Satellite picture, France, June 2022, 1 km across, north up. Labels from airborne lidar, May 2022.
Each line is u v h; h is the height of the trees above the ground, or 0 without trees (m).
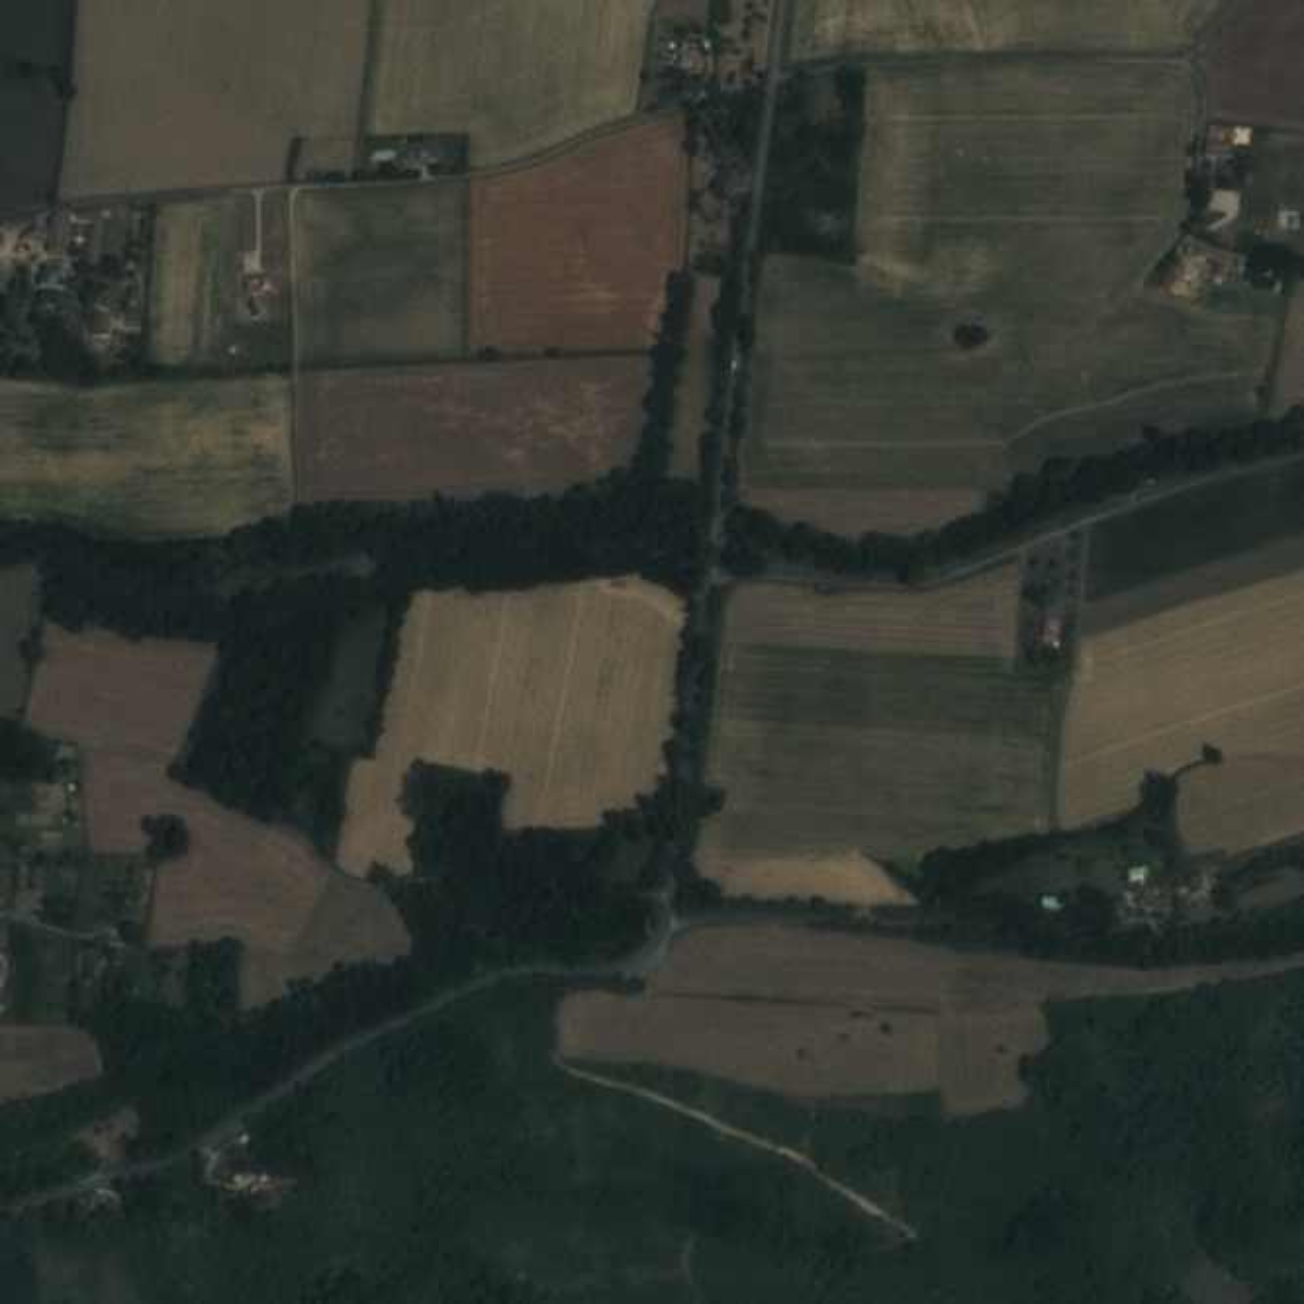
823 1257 7
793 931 0
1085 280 0
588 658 0
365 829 0
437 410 0
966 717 0
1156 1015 12
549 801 0
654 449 21
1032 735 0
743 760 0
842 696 0
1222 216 0
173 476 0
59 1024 0
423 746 0
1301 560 0
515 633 0
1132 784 0
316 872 0
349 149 0
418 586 22
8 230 0
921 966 0
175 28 0
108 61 0
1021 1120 6
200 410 0
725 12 5
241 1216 14
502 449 0
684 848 20
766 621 0
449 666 0
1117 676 0
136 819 0
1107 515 0
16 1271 16
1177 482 0
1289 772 0
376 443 0
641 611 0
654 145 0
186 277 0
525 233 0
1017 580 0
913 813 0
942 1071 0
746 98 10
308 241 0
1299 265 15
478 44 0
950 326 0
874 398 0
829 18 0
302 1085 9
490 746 0
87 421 0
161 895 0
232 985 7
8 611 0
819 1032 0
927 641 0
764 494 0
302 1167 7
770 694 0
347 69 0
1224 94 0
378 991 17
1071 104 0
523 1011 6
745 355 12
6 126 0
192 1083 12
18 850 7
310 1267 7
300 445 0
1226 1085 6
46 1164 7
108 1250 0
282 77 0
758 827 0
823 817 0
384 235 0
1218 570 0
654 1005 0
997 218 0
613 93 0
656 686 0
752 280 11
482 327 0
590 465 0
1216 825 0
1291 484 0
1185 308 0
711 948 0
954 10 0
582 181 0
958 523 10
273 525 19
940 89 0
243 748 16
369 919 0
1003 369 0
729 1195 12
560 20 0
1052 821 0
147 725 0
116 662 0
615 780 0
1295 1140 11
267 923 0
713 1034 0
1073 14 0
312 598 29
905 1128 12
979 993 0
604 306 0
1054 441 0
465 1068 9
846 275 0
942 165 0
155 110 0
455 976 15
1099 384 0
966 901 18
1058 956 9
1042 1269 6
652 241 0
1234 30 0
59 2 0
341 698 0
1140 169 0
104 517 0
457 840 25
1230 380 0
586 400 0
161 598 19
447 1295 10
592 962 7
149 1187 14
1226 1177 6
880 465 0
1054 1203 8
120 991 9
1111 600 0
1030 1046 0
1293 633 0
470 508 13
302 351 0
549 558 21
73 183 0
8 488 0
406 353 0
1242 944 17
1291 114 0
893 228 0
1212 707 0
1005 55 0
